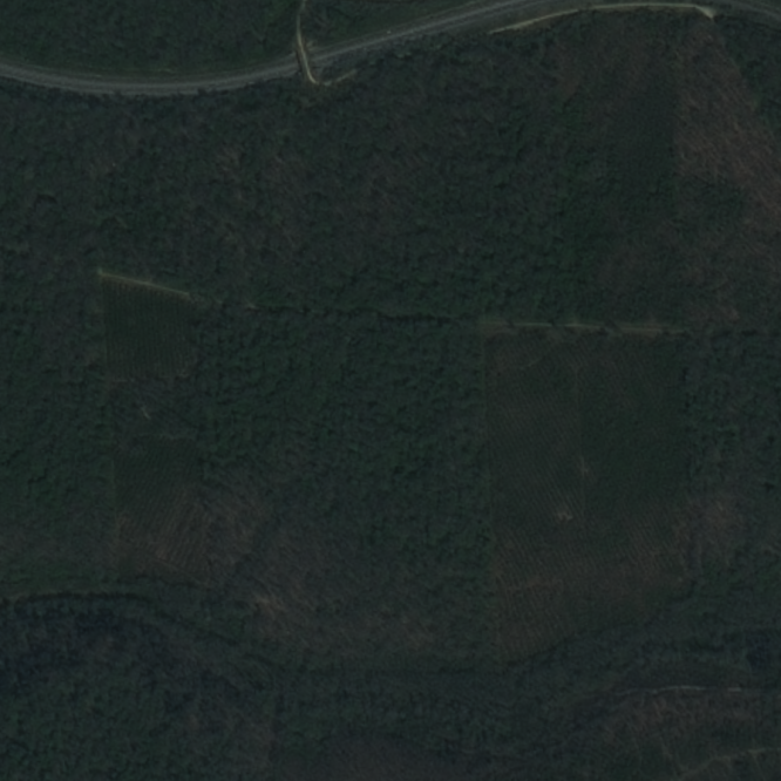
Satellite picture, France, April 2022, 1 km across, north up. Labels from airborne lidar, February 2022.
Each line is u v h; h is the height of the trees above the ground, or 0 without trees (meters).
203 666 23
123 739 23
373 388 30
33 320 27
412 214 28
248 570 30
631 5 0
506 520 10
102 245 28
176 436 23
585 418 6
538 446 6
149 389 24
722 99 27
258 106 10
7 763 24
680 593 9
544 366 6
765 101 29
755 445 24
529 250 28
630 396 8
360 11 8
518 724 9
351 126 28
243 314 27
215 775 26
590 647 27
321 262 24
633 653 21
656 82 17
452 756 15
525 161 22
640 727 8
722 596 17
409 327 21
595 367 6
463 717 24
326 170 27
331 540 28
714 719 8
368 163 29
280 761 13
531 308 28
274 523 29
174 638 25
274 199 28
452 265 27
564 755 12
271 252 25
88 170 33
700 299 17
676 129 17
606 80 14
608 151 13
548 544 9
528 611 8
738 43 27
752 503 30
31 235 20
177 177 29
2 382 27
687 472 8
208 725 25
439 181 24
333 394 24
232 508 31
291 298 16
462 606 25
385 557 28
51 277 29
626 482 6
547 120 26
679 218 14
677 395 8
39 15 26
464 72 28
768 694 11
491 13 0
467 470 15
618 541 7
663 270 14
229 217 29
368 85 20
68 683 28
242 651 24
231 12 28
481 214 26
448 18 0
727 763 0
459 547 26
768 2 0
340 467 29
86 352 24
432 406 27
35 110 30
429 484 25
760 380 28
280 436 27
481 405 24
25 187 27
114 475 28
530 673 21
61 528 27
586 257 16
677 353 7
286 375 23
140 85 0
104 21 27
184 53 25
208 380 21
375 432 26
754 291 15
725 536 27
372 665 27
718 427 24
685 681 0
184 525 6
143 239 24
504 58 21
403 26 0
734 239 16
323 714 27
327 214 27
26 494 25
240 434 21
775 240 15
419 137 30
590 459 6
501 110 26
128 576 6
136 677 29
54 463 24
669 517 10
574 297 17
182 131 30
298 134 28
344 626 25
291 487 25
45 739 25
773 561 24
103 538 30
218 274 23
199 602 22
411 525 26
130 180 30
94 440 23
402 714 18
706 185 16
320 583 28
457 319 22
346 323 25
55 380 22
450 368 28
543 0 0
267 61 0
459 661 15
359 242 30
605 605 10
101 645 25
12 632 26
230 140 31
